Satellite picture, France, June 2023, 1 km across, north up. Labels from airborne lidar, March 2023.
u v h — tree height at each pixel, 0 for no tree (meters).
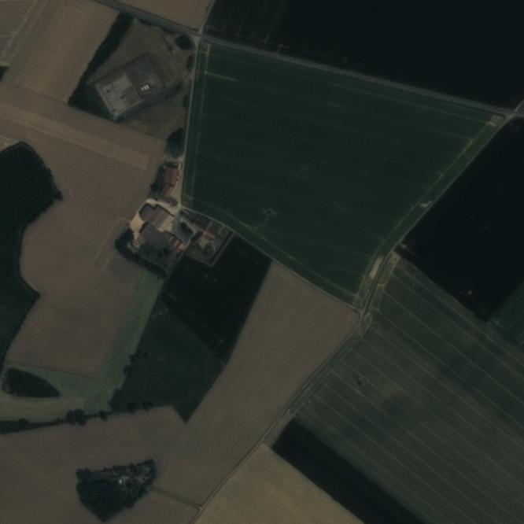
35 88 0
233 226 0
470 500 0
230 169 0
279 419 0
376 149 0
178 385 0
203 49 0
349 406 0
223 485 0
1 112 0
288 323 0
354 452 0
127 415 0
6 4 0
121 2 0
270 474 0
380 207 0
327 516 0
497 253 0
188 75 0
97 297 0
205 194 0
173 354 0
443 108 0
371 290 0
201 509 0
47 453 0
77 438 0
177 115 0
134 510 0
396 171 0
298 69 0
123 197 0
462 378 0
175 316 0
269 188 0
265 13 0
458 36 0
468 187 0
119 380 0
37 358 0
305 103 0
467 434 0
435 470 0
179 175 0
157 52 0
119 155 0
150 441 0
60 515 0
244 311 0
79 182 0
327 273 0
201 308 0
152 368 0
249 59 0
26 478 0
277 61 0
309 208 0
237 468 0
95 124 0
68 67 0
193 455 0
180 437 0
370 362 0
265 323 0
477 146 0
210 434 0
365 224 0
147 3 0
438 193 0
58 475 0
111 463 0
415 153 0
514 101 0
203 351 0
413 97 0
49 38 0
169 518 0
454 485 0
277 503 0
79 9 0
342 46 0
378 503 0
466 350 0
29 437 0
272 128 0
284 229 0
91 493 20
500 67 0
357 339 0
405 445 0
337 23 0
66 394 0
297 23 0
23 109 0
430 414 0
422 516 0
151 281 0
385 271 0
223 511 0
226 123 0
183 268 0
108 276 0
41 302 0
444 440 0
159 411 0
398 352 0
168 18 0
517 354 0
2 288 0
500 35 0
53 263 0
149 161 0
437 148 0
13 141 0
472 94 0
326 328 0
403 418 0
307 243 0
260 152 0
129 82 0
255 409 0
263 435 0
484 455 0
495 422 0
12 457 0
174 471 0
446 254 0
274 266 0
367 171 0
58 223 0
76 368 0
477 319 0
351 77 0
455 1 0
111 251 0
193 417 0
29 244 0
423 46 0
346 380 0
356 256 0
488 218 0
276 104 0
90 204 0
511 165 0
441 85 0
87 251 0
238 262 0
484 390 0
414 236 0
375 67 0
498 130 0
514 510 0
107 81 0
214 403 0
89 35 0
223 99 0
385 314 0
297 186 0
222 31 0
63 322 0
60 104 0
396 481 0
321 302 0
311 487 0
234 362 0
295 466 0
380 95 0
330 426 0
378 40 0
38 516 0
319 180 0
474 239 0
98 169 0
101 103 0
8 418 0
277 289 0
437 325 0
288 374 0
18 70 0
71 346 0
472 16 0
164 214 0
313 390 0
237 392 0
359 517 0
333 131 0
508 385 0
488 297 0
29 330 0
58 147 0
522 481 0
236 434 0
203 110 0
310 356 0
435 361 0
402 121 0
